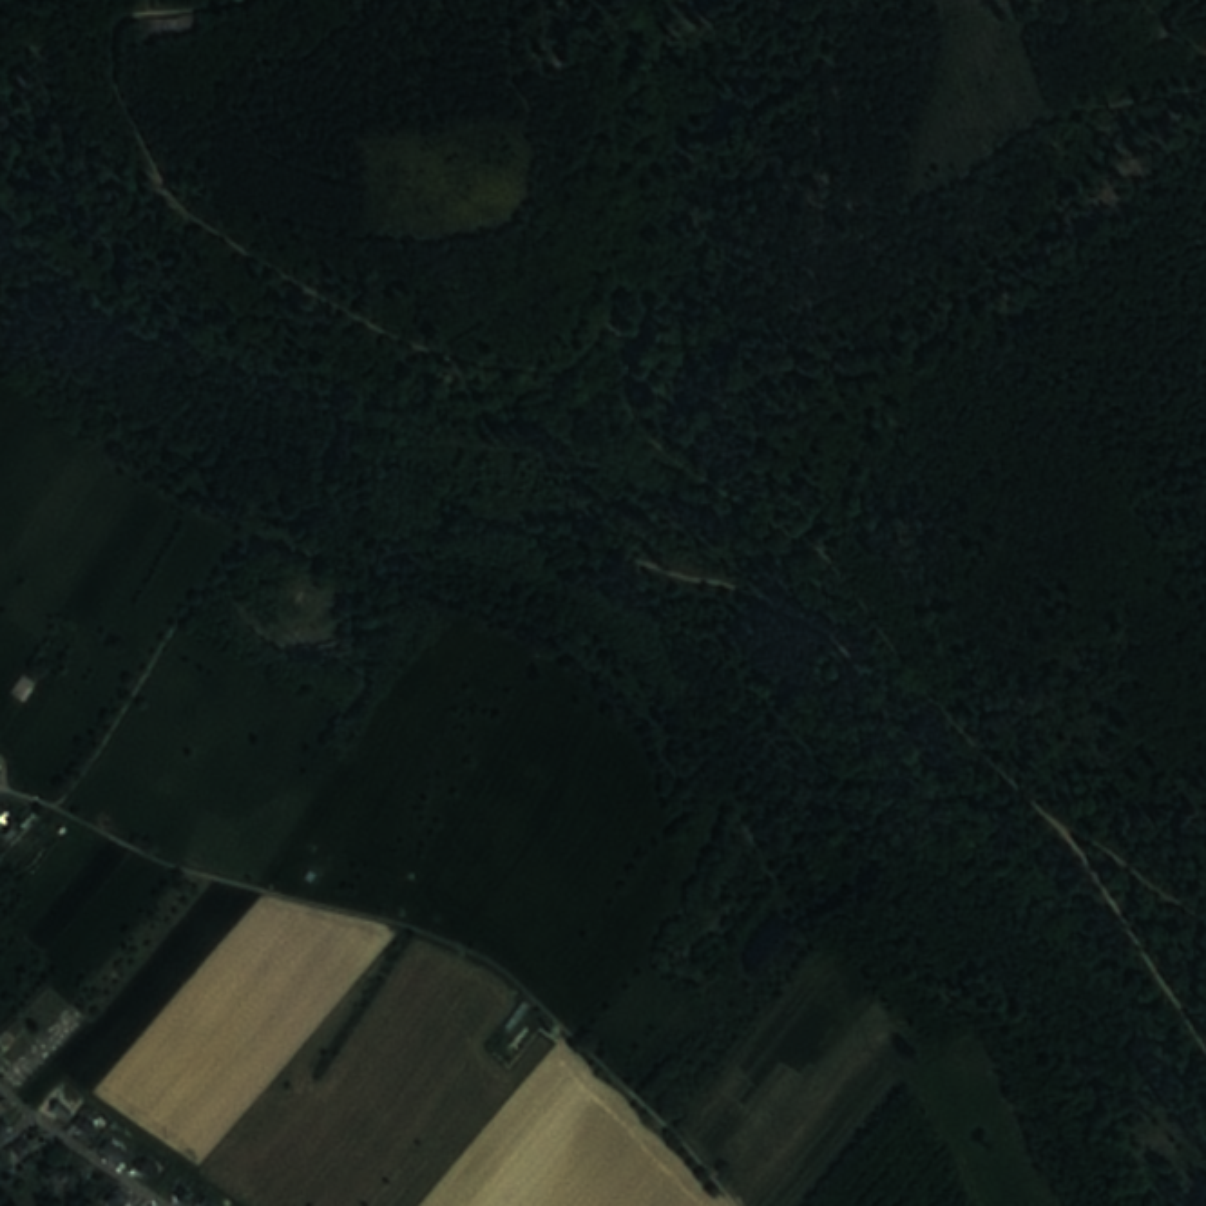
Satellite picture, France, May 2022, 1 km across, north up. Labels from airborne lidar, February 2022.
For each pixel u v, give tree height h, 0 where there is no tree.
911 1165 7
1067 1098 19
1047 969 21
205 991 0
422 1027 0
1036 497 13
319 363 29
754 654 29
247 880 7
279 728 0
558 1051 0
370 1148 0
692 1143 0
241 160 13
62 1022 0
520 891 0
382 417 25
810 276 14
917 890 24
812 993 0
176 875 8
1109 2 6
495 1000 0
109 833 0
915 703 29
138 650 0
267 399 13
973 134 0
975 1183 0
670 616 15
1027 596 12
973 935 22
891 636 17
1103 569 11
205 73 13
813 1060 0
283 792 0
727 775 19
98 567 0
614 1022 0
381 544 16
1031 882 30
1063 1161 20
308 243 15
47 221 24
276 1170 0
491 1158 0
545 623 15
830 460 12
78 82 12
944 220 12
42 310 31
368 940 0
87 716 0
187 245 12
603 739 0
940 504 11
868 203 10
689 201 11
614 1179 0
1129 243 22
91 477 0
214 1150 0
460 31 13
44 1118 0
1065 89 17
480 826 0
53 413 11
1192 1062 19
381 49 11
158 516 0
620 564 29
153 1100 0
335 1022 0
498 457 0
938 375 16
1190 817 30
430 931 0
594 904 0
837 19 29
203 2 10
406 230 0
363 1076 0
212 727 0
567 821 0
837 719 29
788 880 7
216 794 0
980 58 0
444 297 12
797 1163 0
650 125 34
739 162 29
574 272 13
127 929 7
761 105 33
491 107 15
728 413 8
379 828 0
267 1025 0
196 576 0
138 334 23
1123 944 35
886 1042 0
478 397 33
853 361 30
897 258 14
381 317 12
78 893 0
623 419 16
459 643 0
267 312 9
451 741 0
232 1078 0
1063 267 32
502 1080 0
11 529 0
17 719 0
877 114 14
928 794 28
